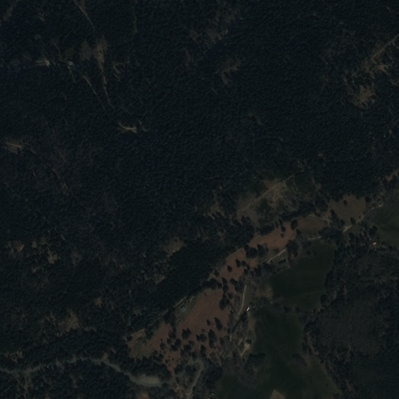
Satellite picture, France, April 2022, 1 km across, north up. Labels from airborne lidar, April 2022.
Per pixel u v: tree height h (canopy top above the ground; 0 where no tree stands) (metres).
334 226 13
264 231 18
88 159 27
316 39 8
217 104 25
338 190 25
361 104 0
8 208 19
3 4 9
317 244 0
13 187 19
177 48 26
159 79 27
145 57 28
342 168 27
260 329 0
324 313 12
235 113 20
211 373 16
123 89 38
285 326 0
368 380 14
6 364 14
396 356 15
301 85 17
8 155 19
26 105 22
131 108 25
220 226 28
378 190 25
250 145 23
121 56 26
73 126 27
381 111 33
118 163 27
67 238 26
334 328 13
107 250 18
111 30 23
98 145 24
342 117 25
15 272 19
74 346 27
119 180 19
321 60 22
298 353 0
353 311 13
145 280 29
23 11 10
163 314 17
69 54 0
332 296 21
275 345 0
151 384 0
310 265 0
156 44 26
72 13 21
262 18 27
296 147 22
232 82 31
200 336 7
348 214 0
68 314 26
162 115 22
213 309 0
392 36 6
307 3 23
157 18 30
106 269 12
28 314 23
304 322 23
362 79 8
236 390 0
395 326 14
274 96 23
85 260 12
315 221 0
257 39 25
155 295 11
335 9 11
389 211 0
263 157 28
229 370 18
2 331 19
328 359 23
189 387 11
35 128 21
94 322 23
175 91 22
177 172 22
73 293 18
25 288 17
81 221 26
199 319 0
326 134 22
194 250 12
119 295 24
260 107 21
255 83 27
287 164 8
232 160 26
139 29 22
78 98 26
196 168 27
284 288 0
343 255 14
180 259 13
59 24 19
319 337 13
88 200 24
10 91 20
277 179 0
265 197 0
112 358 19
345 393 13
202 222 25
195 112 24
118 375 16
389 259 10
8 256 15
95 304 21
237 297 17
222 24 6
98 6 27
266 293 0
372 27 11
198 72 22
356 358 15
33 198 25
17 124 19
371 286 12
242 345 8
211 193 22
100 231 20
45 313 19
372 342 11
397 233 0
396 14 7
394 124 21
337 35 11
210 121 24
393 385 10
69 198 21
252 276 17
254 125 20
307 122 19
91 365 22
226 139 20
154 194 24
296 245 20
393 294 16
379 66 0
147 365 18
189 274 13
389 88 32
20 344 18
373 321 10
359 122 25
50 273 18
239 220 0
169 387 13
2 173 18
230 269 19
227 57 26
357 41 9
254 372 17
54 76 26
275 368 0
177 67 31
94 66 22
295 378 0
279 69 26
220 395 0
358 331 12
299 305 0
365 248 8
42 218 28
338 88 22
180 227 22
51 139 26
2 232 19
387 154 27
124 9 24
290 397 0
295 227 13
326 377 0
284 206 0
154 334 24
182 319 0
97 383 26
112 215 24
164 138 24
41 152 24
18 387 27
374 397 11
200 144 23
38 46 6
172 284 12
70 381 30
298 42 22
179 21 25
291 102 21
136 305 24
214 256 13
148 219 12
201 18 30
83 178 25
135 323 26
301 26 8
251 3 27
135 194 27
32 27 12
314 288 0
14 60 9
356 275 9
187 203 21
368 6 9
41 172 23
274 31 23
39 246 17
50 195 26
